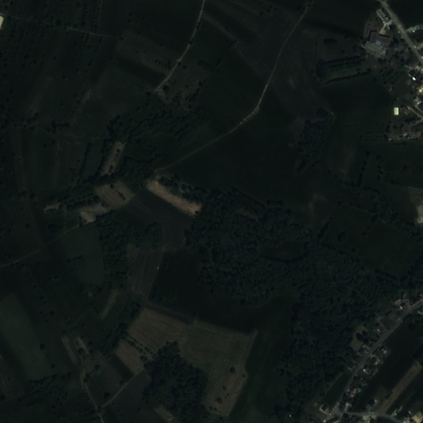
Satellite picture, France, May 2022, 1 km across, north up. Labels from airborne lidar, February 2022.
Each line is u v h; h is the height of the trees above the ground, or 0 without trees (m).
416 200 0
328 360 26
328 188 0
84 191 7
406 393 0
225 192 0
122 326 13
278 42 0
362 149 0
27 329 0
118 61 0
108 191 0
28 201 0
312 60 0
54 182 0
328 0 0
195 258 0
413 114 0
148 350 6
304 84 0
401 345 0
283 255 0
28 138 0
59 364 0
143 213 0
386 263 0
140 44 0
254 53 0
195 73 0
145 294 0
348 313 26
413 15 0
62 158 0
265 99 0
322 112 0
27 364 0
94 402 0
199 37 0
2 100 0
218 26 0
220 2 0
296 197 0
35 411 0
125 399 0
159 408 0
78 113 0
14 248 0
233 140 0
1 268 0
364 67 0
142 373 0
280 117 0
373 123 0
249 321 0
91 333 0
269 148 0
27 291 0
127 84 0
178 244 0
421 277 26
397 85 0
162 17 0
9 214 0
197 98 7
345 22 0
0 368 0
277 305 0
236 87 0
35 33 0
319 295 24
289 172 0
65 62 0
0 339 0
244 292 22
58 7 0
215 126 0
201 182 0
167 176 0
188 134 7
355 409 0
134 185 0
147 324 0
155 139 0
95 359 0
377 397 0
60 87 0
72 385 0
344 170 0
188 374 21
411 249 0
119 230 10
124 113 0
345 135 0
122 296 0
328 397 0
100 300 0
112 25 0
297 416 13
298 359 22
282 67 0
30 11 0
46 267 0
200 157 0
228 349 0
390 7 0
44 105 0
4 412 0
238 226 19
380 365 0
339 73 0
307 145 17
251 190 0
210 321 0
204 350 0
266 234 24
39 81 0
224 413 0
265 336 0
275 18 0
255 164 0
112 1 0
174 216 0
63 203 7
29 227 8
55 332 0
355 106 0
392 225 7
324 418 0
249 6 0
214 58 0
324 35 0
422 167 0
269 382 0
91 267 0
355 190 19
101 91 0
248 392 0
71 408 0
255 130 0
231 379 0
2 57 13
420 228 17
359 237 0
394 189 0
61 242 0
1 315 0
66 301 0
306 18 0
